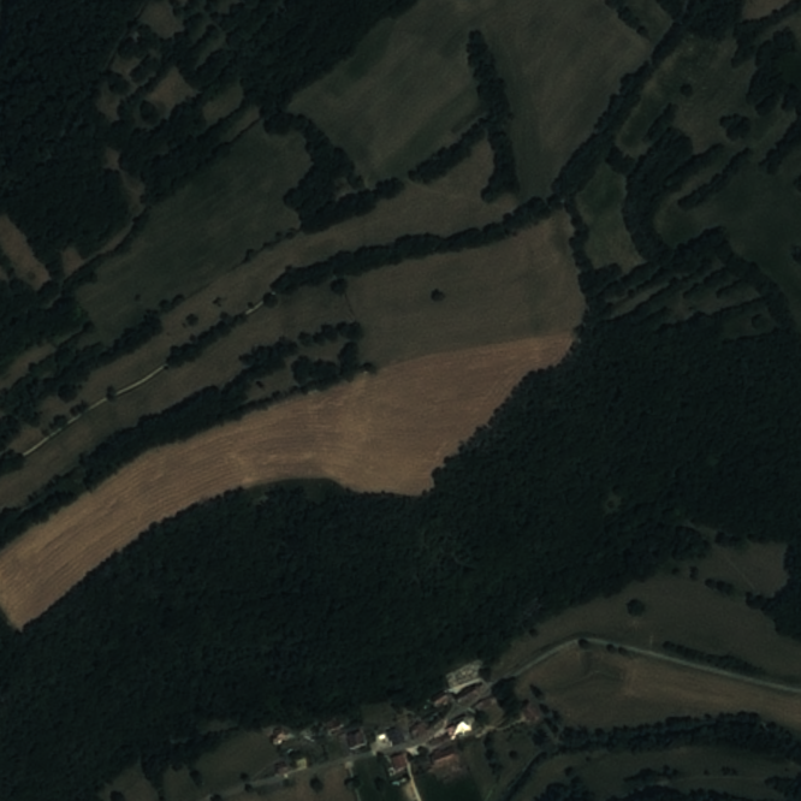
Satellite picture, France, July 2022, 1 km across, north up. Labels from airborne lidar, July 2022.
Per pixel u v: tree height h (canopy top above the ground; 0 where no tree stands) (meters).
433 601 28
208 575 20
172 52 13
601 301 16
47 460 0
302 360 13
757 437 19
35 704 21
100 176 11
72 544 0
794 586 19
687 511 18
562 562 15
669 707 0
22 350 10
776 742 19
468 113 0
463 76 0
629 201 12
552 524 20
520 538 22
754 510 21
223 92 8
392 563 16
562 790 15
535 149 0
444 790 0
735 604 0
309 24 20
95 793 12
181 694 28
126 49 17
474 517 23
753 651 0
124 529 0
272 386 0
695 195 9
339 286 16
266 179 0
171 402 0
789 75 0
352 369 16
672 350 18
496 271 0
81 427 0
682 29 20
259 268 0
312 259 0
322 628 22
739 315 7
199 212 0
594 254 0
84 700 25
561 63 0
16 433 19
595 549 11
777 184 0
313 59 17
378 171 0
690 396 19
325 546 10
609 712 0
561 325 0
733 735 14
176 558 23
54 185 19
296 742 0
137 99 15
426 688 12
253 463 0
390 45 0
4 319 17
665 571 0
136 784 0
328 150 25
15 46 27
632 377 18
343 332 16
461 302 0
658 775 9
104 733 19
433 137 0
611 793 0
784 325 16
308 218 17
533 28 0
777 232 0
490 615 23
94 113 18
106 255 7
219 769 0
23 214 18
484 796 0
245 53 18
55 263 16
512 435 12
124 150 14
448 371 0
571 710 0
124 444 19
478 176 0
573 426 20
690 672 0
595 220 0
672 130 12
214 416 19
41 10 22
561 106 0
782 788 9
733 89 0
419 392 0
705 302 0
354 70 0
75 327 19
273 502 19
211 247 0
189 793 0
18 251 0
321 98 0
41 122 20
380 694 7
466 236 15
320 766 0
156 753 20
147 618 23
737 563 0
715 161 10
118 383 0
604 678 0
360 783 13
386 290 0
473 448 15
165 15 0
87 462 17
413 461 0
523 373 0
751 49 12
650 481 22
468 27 0
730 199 0
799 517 18
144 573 21
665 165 17
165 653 24
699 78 0
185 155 19
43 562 0
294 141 0
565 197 14
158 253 0
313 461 0
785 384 18
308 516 23
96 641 20
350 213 16
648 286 10
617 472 22
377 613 22
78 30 21
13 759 20
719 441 18
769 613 15
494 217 0
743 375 17
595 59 0
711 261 13
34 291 12
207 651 17
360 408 0
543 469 22
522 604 20
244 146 0
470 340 0
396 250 16
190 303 0
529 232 0
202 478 0
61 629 19
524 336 0
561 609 14
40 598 0
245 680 16
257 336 0
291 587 23
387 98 0
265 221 0
